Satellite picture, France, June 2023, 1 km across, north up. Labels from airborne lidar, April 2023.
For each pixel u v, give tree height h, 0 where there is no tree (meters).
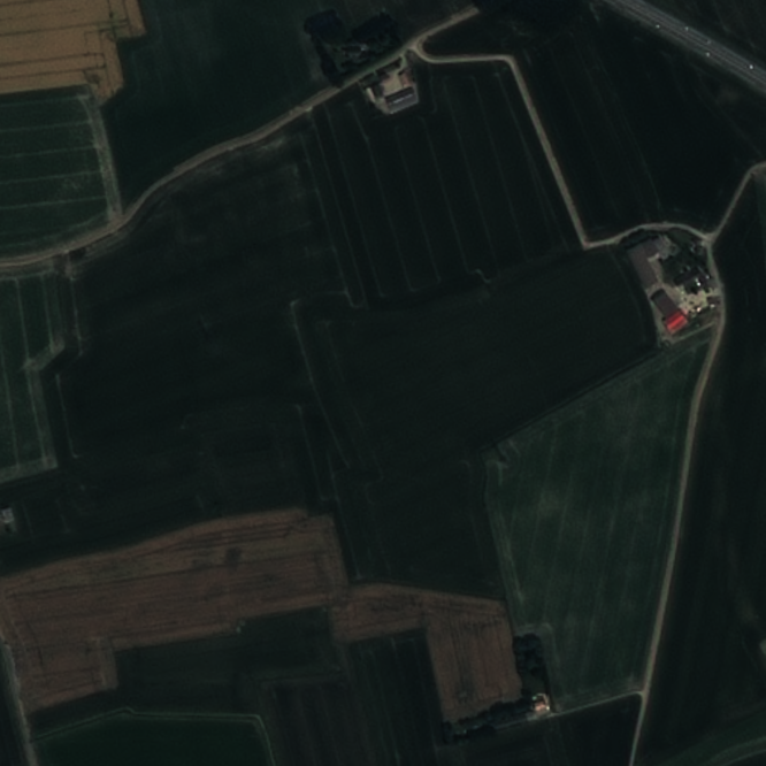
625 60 0
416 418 0
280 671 0
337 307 0
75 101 0
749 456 0
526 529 0
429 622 0
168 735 0
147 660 0
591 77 0
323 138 0
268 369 0
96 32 0
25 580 0
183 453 0
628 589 0
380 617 0
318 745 0
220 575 0
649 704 0
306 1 0
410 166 0
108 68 0
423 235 0
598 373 0
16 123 0
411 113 0
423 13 0
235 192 0
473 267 0
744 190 0
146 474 0
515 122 0
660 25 0
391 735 0
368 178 0
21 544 0
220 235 0
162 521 0
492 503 0
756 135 0
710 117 0
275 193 0
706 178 0
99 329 0
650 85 0
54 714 0
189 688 0
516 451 0
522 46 0
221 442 0
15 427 0
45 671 0
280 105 0
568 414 0
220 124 0
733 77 0
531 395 0
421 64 0
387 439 0
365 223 0
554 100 0
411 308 0
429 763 0
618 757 0
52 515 0
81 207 0
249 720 0
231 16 0
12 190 0
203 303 0
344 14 0
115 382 0
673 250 0
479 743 0
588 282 0
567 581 0
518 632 0
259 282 0
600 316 0
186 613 0
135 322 0
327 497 0
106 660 0
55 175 0
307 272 0
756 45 0
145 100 0
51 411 0
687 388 0
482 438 0
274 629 0
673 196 0
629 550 0
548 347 0
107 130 0
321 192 0
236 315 0
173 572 0
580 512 0
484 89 0
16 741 0
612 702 0
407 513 0
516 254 0
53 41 0
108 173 0
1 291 0
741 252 0
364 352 0
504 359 0
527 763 0
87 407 0
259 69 0
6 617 0
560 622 0
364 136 0
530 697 7
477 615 0
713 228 0
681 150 0
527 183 0
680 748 0
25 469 0
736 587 0
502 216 0
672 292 0
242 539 0
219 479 0
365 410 0
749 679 0
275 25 0
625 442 0
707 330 0
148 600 0
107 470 0
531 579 0
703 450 0
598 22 0
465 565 0
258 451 0
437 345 0
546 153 0
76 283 0
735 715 0
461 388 0
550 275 0
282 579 0
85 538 0
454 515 0
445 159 0
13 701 0
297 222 0
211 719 0
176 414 0
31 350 0
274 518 0
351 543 0
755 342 0
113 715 0
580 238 0
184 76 0
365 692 0
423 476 0
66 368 0
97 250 0
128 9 0
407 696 0
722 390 0
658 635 0
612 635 0
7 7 0
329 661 0
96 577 0
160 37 0
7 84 0
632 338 0
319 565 0
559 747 0
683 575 0
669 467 0
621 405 0
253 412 0
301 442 0
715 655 0
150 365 0
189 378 0
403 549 0
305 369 0
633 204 0
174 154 0
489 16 0
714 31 0
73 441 0
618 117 0
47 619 0
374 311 0
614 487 0
